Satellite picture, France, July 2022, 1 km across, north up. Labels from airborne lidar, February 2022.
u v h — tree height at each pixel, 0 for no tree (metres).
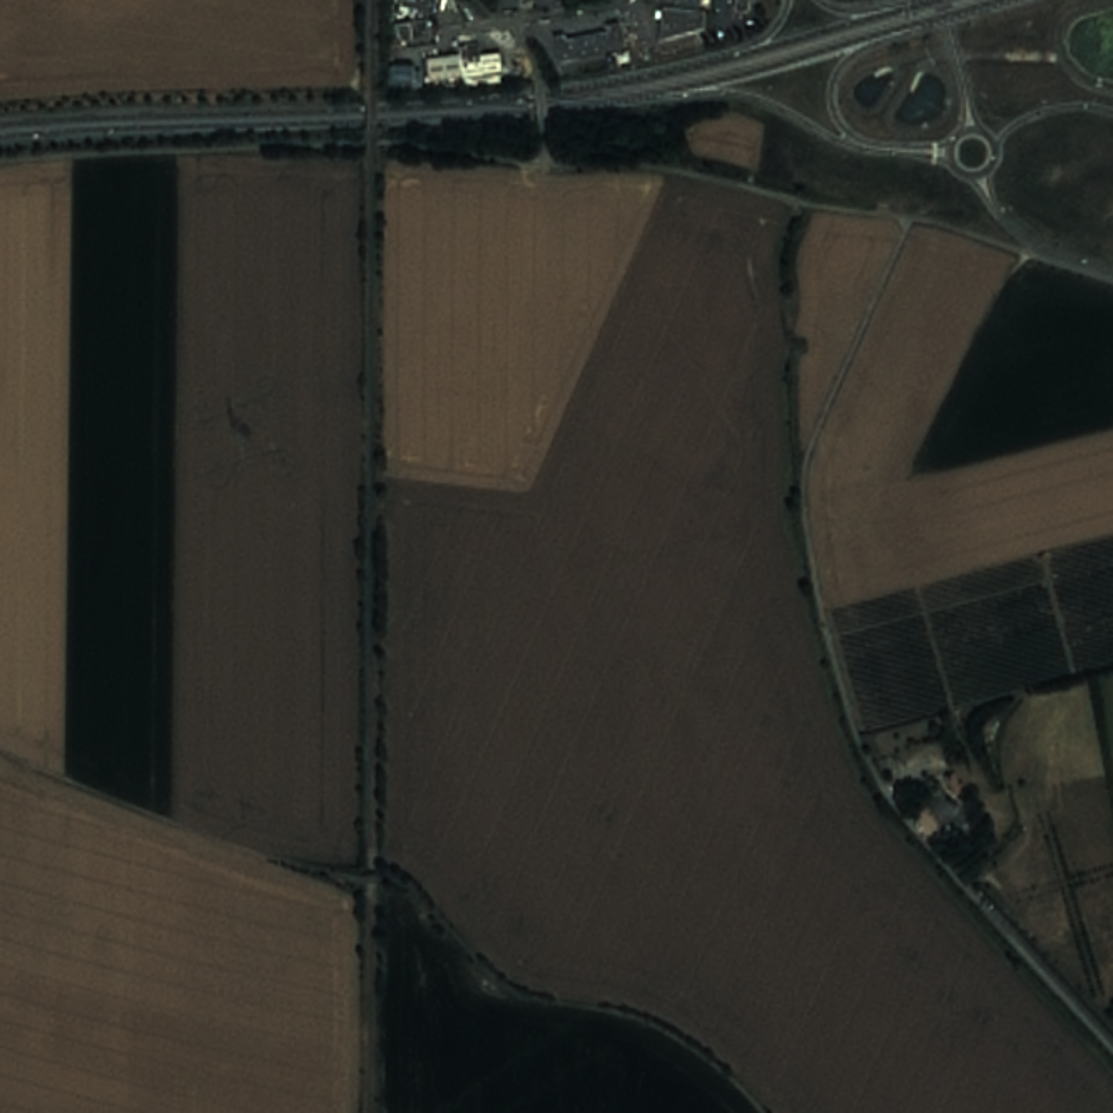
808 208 0
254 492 0
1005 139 0
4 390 0
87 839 0
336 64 0
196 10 0
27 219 0
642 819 0
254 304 0
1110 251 0
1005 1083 0
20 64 0
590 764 0
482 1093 0
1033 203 0
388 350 0
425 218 0
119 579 0
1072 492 0
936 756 0
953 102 0
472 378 0
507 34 0
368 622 0
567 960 0
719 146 0
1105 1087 0
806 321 0
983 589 0
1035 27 0
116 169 0
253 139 8
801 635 0
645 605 0
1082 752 0
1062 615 0
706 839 0
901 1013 0
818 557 0
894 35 0
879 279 0
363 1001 0
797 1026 0
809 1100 0
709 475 0
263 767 0
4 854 0
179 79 0
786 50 0
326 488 0
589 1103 0
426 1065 0
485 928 0
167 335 0
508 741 0
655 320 0
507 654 0
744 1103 0
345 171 0
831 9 0
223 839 0
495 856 0
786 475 0
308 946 0
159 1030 0
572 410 0
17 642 0
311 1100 0
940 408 0
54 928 0
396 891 9
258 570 0
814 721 0
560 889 0
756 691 0
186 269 0
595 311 0
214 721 0
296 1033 0
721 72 0
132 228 0
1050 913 0
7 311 0
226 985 0
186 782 0
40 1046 0
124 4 0
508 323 0
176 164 0
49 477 0
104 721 0
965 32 0
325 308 0
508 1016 0
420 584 0
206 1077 0
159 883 0
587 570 0
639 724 0
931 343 0
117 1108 0
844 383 0
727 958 0
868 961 0
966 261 0
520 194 0
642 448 0
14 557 0
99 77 0
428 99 16
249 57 0
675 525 0
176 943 0
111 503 0
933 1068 0
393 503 0
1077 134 0
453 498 0
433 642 0
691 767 0
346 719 0
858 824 0
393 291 0
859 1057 0
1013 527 0
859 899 0
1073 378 0
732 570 0
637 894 0
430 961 0
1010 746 0
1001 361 0
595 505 0
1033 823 0
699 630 0
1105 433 0
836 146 0
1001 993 0
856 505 0
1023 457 0
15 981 0
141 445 0
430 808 0
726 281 0
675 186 0
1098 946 0
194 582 0
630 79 0
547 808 0
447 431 0
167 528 0
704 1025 0
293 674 0
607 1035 0
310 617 0
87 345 0
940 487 0
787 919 0
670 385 0
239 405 0
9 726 0
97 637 0
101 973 0
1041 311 0
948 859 11
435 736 0
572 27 0
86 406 0
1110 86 0
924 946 0
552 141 15
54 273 0
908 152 0
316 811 0
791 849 0
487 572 0
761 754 0
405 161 10
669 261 0
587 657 0
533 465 0
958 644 0
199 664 0
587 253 0
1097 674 6
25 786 0
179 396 0
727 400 0
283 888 0
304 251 0
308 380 0
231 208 0
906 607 0
